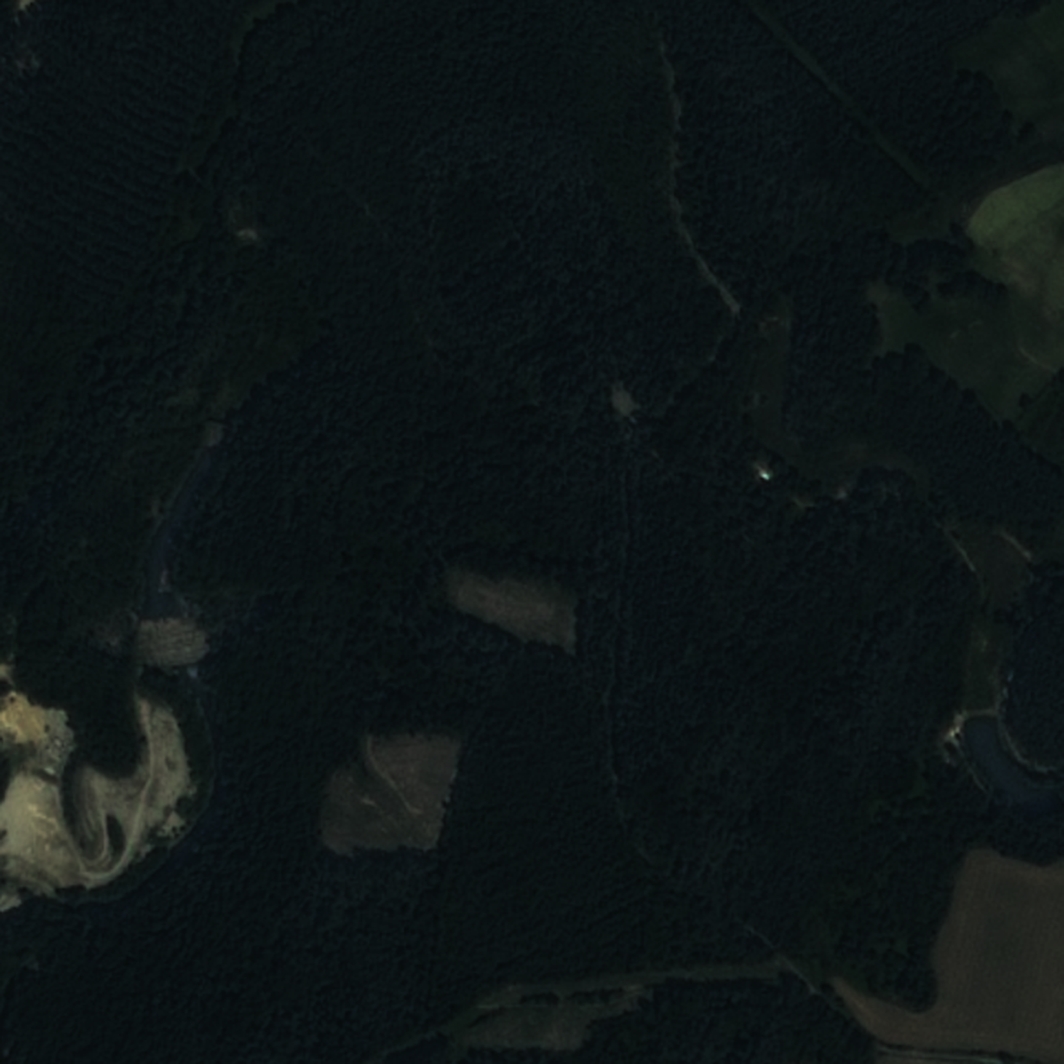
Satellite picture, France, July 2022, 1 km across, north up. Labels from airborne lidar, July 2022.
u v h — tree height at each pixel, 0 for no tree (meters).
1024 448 18
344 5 18
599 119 16
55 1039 18
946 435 19
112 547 23
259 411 18
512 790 16
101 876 0
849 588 22
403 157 16
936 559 24
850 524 25
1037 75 0
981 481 23
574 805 12
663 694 24
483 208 10
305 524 25
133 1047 22
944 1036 0
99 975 24
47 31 25
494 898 8
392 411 22
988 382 0
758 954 26
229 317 24
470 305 18
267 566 20
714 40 19
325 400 21
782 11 16
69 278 27
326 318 14
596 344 22
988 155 23
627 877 8
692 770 25
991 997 0
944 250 16
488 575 18
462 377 23
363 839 0
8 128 28
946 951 0
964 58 0
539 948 6
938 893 19
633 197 17
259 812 24
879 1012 0
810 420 16
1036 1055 0
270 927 20
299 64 20
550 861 9
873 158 23
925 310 18
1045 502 22
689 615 23
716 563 16
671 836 21
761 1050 27
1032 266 0
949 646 25
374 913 22
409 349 21
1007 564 0
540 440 25
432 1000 10
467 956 8
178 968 21
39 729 0
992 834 9
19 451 22
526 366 29
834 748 20
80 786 0
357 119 11
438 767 0
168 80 28
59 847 0
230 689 18
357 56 13
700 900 18
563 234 25
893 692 25
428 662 21
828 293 17
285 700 19
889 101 20
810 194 17
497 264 16
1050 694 16
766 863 18
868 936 14
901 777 22
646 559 18
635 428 25
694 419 20
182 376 7
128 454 7
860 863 13
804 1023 19
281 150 19
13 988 14
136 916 21
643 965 9
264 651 15
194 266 21
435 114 20
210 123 17
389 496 17
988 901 0
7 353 20
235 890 23
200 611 12
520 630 0
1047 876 0
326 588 18
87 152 25
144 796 0
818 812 17
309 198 13
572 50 20
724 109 18
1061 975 0
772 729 17
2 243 16
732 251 26
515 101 23
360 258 14
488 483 24
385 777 0
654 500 18
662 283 16
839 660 20
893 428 25
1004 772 0
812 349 18
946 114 13
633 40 16
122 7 25
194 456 15
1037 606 20
